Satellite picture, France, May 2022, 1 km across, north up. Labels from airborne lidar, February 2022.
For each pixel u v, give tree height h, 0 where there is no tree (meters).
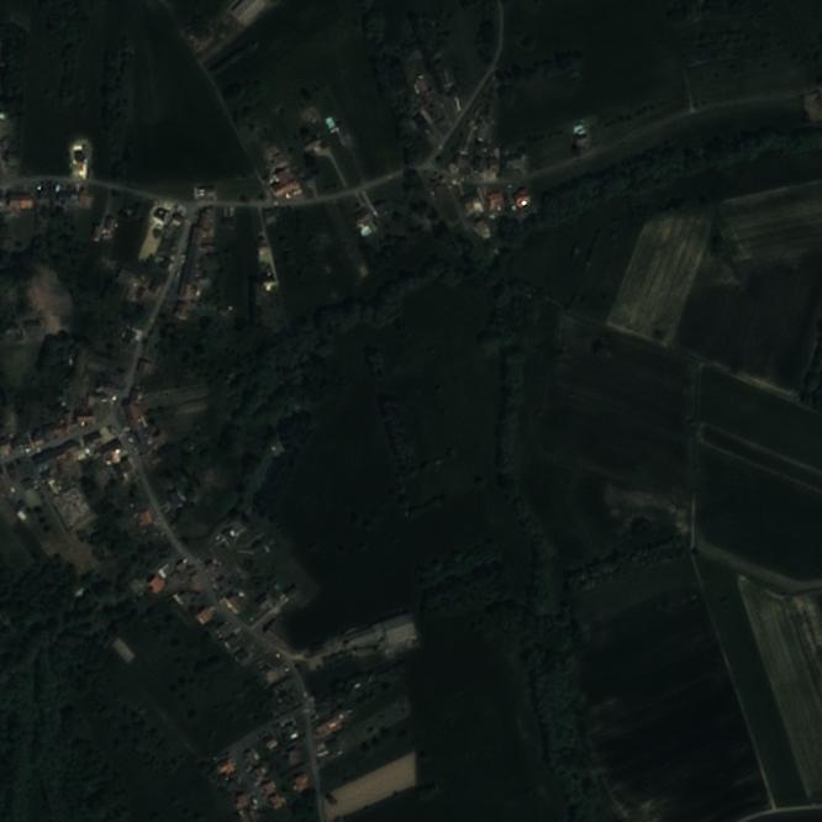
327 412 0
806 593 0
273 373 20
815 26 0
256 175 0
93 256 0
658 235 0
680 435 0
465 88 0
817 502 0
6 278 24
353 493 0
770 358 0
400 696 0
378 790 0
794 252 0
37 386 0
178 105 0
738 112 0
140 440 0
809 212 0
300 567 0
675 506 0
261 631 0
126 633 0
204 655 0
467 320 0
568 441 0
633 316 0
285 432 20
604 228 0
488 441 0
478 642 0
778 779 0
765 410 0
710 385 0
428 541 0
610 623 0
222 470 0
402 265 0
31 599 10
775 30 0
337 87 0
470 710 0
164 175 0
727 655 0
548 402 0
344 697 9
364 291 0
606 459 0
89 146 0
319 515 0
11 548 0
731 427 0
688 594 0
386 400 17
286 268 0
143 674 0
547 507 0
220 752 0
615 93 0
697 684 0
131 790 0
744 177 0
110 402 0
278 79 0
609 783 0
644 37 0
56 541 0
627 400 0
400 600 0
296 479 0
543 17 0
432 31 11
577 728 0
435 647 0
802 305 0
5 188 0
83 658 17
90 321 0
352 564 0
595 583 8
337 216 0
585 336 0
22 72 16
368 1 15
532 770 0
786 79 0
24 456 0
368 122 0
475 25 0
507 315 5
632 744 0
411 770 0
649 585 0
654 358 0
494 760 0
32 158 0
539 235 0
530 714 0
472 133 0
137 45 0
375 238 0
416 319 0
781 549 0
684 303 0
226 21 0
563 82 0
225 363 0
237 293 0
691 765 0
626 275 0
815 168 0
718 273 0
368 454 0
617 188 23
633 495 0
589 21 0
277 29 0
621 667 0
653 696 0
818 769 0
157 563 0
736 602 0
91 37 0
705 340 0
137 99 0
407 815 0
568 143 0
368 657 0
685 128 0
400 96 17
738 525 0
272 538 0
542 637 26
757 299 0
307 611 0
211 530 0
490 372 0
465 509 0
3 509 0
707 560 0
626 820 0
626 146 0
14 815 24
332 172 0
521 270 0
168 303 0
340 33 0
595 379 0
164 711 0
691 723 0
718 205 0
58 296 0
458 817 0
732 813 0
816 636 0
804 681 0
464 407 0
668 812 0
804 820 0
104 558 8
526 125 0
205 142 0
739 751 0
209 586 0
